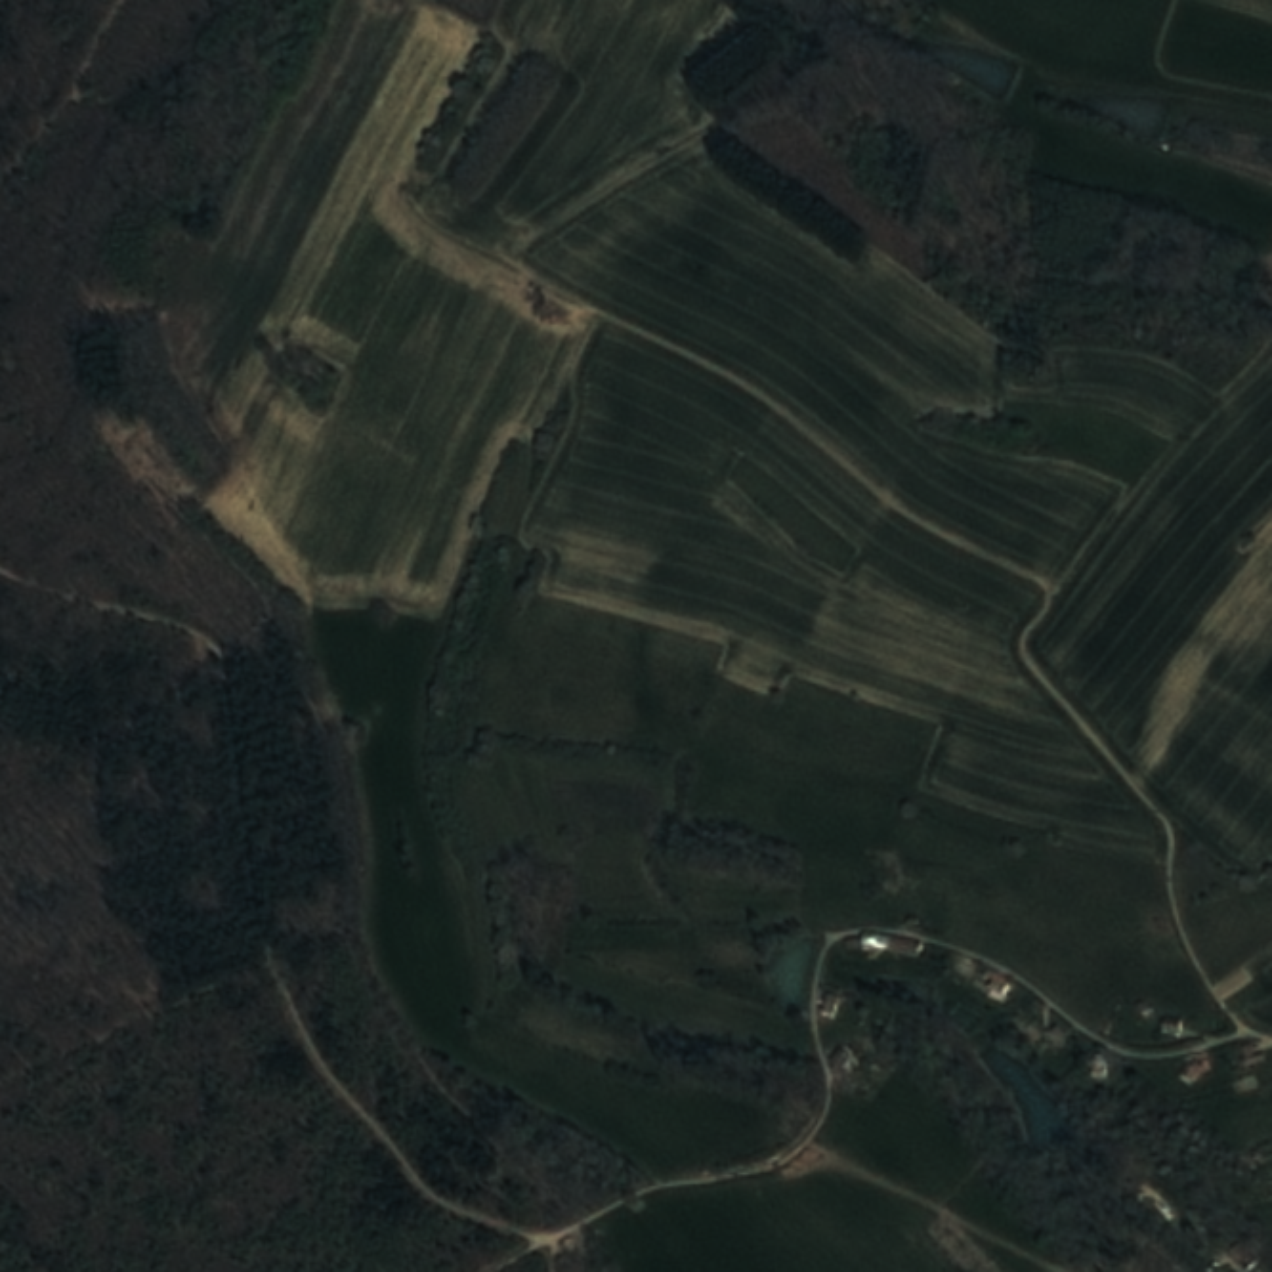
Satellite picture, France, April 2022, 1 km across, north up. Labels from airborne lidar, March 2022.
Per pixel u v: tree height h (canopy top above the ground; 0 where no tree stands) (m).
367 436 0
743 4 29
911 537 0
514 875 22
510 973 14
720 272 0
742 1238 0
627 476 0
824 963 0
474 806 0
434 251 0
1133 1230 19
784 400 0
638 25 0
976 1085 20
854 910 0
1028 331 9
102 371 26
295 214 0
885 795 0
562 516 0
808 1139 24
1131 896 0
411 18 0
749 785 0
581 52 0
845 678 0
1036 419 0
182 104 18
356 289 0
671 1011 0
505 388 0
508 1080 0
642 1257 0
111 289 17
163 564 15
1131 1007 5
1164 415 0
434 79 0
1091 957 0
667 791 0
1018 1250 0
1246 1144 0
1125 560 0
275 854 13
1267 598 0
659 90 0
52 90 9
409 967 0
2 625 10
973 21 0
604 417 0
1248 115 0
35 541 6
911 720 0
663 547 0
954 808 0
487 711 0
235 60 18
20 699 12
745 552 0
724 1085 20
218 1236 8
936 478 0
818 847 0
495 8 27
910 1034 10
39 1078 8
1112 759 0
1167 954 0
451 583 0
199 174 17
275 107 11
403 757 0
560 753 7
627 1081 8
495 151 24
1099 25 0
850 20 21
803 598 0
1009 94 0
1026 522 0
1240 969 0
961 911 0
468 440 0
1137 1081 16
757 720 0
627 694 0
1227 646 0
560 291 0
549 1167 31
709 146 0
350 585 0
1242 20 0
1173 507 0
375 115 0
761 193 28
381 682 0
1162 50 0
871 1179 0
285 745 25
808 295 0
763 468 0
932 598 0
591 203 0
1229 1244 17
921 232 27
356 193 0
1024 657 0
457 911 0
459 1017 0
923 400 0
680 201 0
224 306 0
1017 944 0
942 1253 0
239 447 0
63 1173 12
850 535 0
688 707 0
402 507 0
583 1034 0
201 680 16
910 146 25
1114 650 0
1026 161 11
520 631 0
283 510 0
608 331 0
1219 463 0
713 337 0
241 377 0
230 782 21
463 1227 15
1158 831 0
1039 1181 34
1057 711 0
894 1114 0
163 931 22
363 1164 11
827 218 28
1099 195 11
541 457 10
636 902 0
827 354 0
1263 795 0
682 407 0
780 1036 0
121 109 9
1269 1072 0
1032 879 0
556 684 0
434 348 0
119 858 20
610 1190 21
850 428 0
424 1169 10
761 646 0
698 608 0
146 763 16
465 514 0
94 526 11
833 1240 0
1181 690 0
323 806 24
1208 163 0
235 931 20
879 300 0
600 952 0
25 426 8
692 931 0
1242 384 0
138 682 11
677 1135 0
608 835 0
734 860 25
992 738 0
